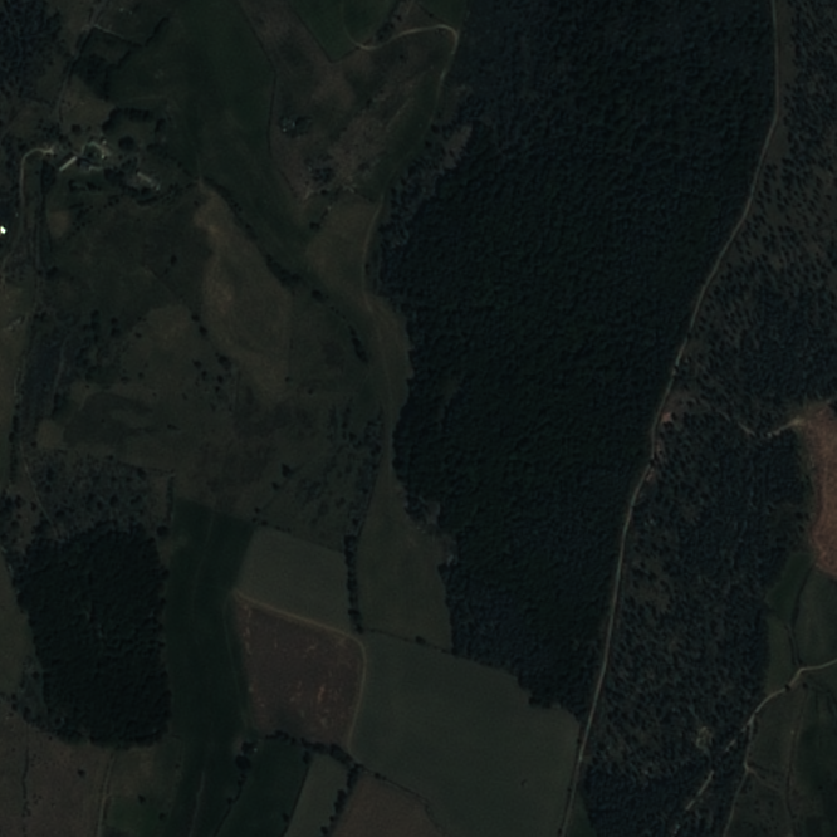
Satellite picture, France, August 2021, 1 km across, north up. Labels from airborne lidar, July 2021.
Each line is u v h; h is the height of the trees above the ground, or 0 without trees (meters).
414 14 0
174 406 0
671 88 8
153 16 0
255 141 0
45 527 11
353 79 0
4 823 0
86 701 16
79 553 13
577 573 13
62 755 0
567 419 18
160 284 0
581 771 0
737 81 8
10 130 0
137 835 0
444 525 14
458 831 0
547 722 0
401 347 0
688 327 11
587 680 12
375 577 0
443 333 11
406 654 0
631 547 0
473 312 16
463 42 0
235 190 0
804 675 0
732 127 7
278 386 0
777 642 0
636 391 8
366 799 0
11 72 11
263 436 0
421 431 10
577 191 12
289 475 12
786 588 0
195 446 0
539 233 11
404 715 0
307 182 0
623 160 8
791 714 0
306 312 0
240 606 0
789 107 8
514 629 13
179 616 0
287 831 0
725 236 8
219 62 0
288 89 0
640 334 13
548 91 7
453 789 0
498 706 0
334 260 0
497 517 13
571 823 0
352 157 0
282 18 0
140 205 6
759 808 0
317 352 0
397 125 0
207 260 0
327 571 0
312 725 0
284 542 0
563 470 15
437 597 0
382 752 0
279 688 0
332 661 0
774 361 17
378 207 0
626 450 13
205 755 0
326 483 0
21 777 0
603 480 18
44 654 12
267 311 0
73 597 13
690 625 13
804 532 14
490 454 20
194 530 0
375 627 0
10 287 0
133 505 8
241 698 0
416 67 0
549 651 15
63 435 0
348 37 0
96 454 0
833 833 0
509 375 12
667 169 13
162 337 0
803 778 0
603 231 13
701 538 11
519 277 17
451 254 16
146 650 13
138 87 0
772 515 9
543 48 8
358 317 0
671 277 12
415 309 9
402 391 0
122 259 0
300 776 0
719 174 9
